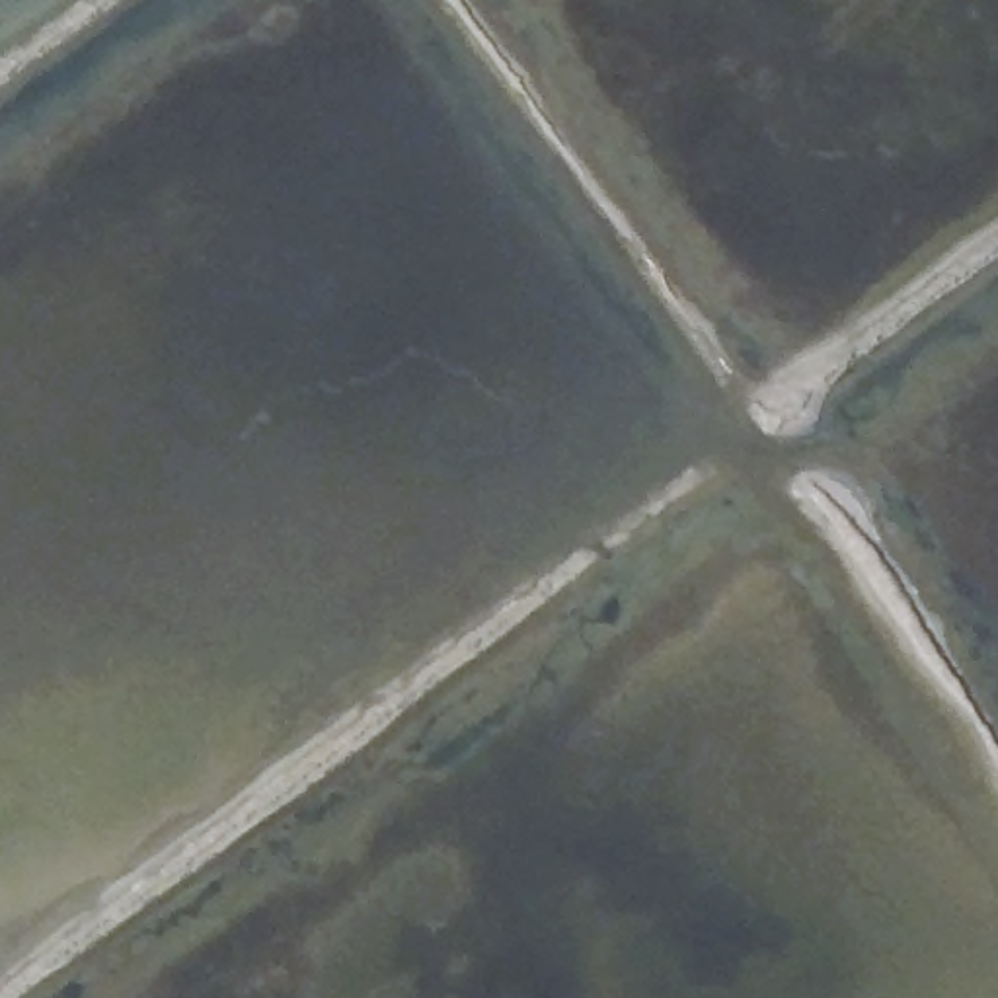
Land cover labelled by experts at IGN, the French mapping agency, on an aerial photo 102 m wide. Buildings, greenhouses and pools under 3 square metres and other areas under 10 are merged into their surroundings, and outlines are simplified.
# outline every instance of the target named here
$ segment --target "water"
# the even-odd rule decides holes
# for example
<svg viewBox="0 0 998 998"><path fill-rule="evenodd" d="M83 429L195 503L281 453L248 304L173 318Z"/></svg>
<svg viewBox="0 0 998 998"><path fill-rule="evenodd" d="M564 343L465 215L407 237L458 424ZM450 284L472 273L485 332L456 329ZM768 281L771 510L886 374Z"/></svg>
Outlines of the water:
<svg viewBox="0 0 998 998"><path fill-rule="evenodd" d="M573 172L550 152L550 144L538 136L538 129L526 121L526 113L515 105L507 86L468 43L468 35L441 0L121 0L109 16L97 16L70 43L31 62L0 90L0 979L16 963L23 963L31 947L43 936L51 936L62 920L94 912L105 885L129 877L164 842L179 838L183 830L226 807L277 756L292 752L312 733L327 729L331 717L339 717L343 710L374 706L374 694L390 678L409 674L417 663L429 659L437 643L456 639L460 632L480 624L522 581L538 581L577 550L593 554L593 565L577 581L554 593L542 608L518 620L476 659L468 659L437 686L429 686L374 741L339 760L304 795L265 815L222 854L203 862L195 873L179 877L168 893L152 897L140 912L121 920L113 932L94 940L66 967L58 967L19 998L998 998L998 787L990 784L990 768L967 725L901 647L893 624L877 616L869 600L858 593L842 554L791 499L791 480L799 472L823 468L838 472L850 487L858 487L881 530L873 546L877 561L893 557L916 581L920 600L943 620L943 667L955 674L955 682L963 686L963 694L998 741L998 257L982 265L975 277L967 277L959 288L932 300L924 312L916 312L897 335L881 339L869 355L850 359L826 390L819 417L803 433L764 433L749 413L749 398L760 382L768 382L776 366L815 347L830 331L838 331L854 312L862 312L869 288L881 285L893 269L908 265L916 250L932 246L940 230L967 222L971 230L982 230L998 218L998 0L464 0L483 19L491 39L526 70L546 117L554 121L554 129L561 129L573 152L585 160L585 168L596 175L596 183L608 191L608 199L628 214L628 222L643 234L671 288L713 324L717 339L725 343L725 355L733 359L733 370L717 378L686 339L682 324L655 296L643 269L632 261L628 246L612 230L612 222L593 207ZM647 503L659 487L678 480L686 468L698 472L698 487L682 495L674 507L667 507L651 534L635 530L628 546L608 546L608 530L632 507Z"/></svg>
<svg viewBox="0 0 998 998"><path fill-rule="evenodd" d="M58 16L66 16L78 0L0 0L0 58L35 39Z"/></svg>

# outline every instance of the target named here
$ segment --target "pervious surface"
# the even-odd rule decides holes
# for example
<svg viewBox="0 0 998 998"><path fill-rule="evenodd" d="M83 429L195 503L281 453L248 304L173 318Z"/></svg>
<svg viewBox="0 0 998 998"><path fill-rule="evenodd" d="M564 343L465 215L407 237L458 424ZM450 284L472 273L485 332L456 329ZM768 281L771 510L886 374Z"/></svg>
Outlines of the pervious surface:
<svg viewBox="0 0 998 998"><path fill-rule="evenodd" d="M632 507L608 530L608 546L628 546L635 530L651 534L667 507L674 507L682 495L698 487L698 472L686 468L678 480L659 487L647 503Z"/></svg>
<svg viewBox="0 0 998 998"><path fill-rule="evenodd" d="M19 998L58 967L66 967L94 940L113 932L121 920L140 912L152 897L168 893L179 877L195 873L203 862L222 854L265 815L304 795L339 760L374 741L429 686L437 686L468 659L476 659L518 620L542 608L554 593L577 581L593 565L593 554L577 550L538 581L522 581L480 624L460 632L456 639L437 643L429 659L417 663L409 674L390 678L374 694L374 706L343 710L339 717L331 717L327 729L312 733L292 752L277 756L226 807L183 830L179 838L164 842L129 877L105 885L94 912L62 920L51 936L43 936L31 947L23 963L16 963L0 979L0 998Z"/></svg>
<svg viewBox="0 0 998 998"><path fill-rule="evenodd" d="M35 39L0 58L0 90L31 62L70 43L97 16L109 16L121 0L78 0L66 16L58 16Z"/></svg>
<svg viewBox="0 0 998 998"><path fill-rule="evenodd" d="M990 784L998 787L998 741L963 694L963 686L955 682L955 674L943 667L943 620L920 600L916 581L893 557L877 561L873 546L881 530L858 487L850 487L838 472L823 468L799 472L791 480L791 499L842 554L858 593L869 600L877 616L893 624L901 647L967 725L990 768Z"/></svg>
<svg viewBox="0 0 998 998"><path fill-rule="evenodd" d="M862 312L854 312L838 331L830 331L815 347L776 366L768 382L760 382L749 398L749 413L764 433L803 433L819 417L826 390L850 359L869 355L881 339L897 335L916 312L924 312L932 300L959 288L967 277L975 277L982 265L998 257L998 218L982 230L971 230L967 222L940 230L932 246L916 250L908 265L893 269L881 285L869 288Z"/></svg>
<svg viewBox="0 0 998 998"><path fill-rule="evenodd" d="M713 324L671 288L643 234L628 222L628 214L608 199L608 191L596 183L596 175L585 168L585 160L573 152L561 129L554 129L554 121L546 117L526 70L491 39L483 19L464 0L441 0L468 35L468 43L507 86L515 105L526 113L526 121L538 129L538 136L550 144L550 152L573 172L593 207L612 222L612 230L628 246L632 261L643 269L655 296L682 324L686 339L717 378L733 370L733 359L725 355L725 343L717 339Z"/></svg>

